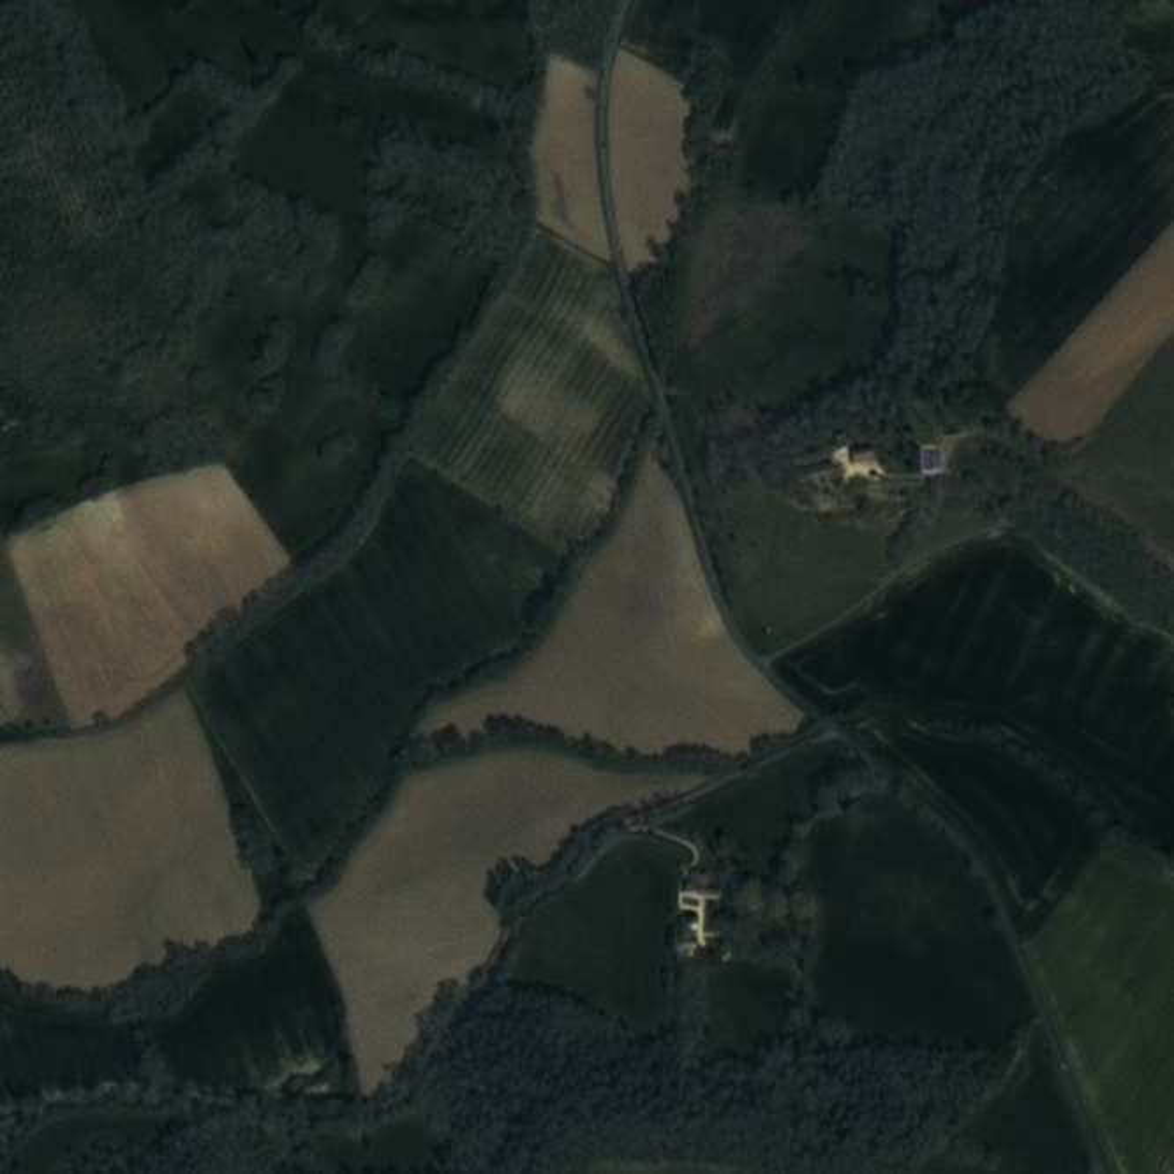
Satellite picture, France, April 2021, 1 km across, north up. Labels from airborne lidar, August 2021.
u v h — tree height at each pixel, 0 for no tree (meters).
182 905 0
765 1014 0
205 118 0
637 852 0
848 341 0
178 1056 0
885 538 0
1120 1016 0
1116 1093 0
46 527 19
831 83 0
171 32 0
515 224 19
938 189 14
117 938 0
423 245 0
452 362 13
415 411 18
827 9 0
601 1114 21
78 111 20
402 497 0
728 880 14
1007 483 0
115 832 0
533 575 0
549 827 0
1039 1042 0
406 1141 0
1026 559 0
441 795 0
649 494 0
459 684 9
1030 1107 0
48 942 0
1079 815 0
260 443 0
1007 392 0
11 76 10
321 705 0
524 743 27
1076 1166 0
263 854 18
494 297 13
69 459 0
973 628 0
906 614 0
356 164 0
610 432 0
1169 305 0
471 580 0
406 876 0
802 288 0
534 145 18
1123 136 0
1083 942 0
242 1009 0
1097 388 0
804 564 0
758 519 0
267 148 0
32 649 0
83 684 0
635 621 0
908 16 0
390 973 0
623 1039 13
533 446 0
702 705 0
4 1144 10
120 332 7
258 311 0
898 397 18
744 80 0
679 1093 17
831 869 0
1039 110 23
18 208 6
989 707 0
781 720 0
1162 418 0
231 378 0
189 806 0
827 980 0
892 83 24
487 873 0
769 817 0
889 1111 17
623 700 0
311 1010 0
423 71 19
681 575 0
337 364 25
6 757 0
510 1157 17
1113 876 0
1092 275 0
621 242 0
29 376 8
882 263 0
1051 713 0
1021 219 0
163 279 6
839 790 24
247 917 0
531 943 0
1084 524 16
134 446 0
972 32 23
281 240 20
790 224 0
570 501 0
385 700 0
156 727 0
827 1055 14
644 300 20
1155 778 0
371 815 6
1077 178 0
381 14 0
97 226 7
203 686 0
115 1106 9
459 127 0
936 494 20
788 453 13
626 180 0
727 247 0
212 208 0
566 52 24
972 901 0
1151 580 19
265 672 0
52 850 0
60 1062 0
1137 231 0
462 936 0
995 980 0
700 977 21
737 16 0
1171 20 0
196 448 22
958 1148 20
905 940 0
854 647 0
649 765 10
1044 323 0
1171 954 0
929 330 20
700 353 0
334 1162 0
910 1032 0
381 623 0
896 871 0
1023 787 0
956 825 0
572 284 0
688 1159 22
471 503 0
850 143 17
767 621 0
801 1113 22
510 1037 15
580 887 0
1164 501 0
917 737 0
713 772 11
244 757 0
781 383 0
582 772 0
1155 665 0
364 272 16
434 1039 20
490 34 0
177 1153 15
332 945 0
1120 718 0
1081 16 18
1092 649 0
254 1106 12
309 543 0
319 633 0
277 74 12
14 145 6
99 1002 13
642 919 0
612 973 0
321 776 0
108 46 0
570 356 0
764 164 0
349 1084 10
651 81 0
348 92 0
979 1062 8
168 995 21
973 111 18
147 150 0
